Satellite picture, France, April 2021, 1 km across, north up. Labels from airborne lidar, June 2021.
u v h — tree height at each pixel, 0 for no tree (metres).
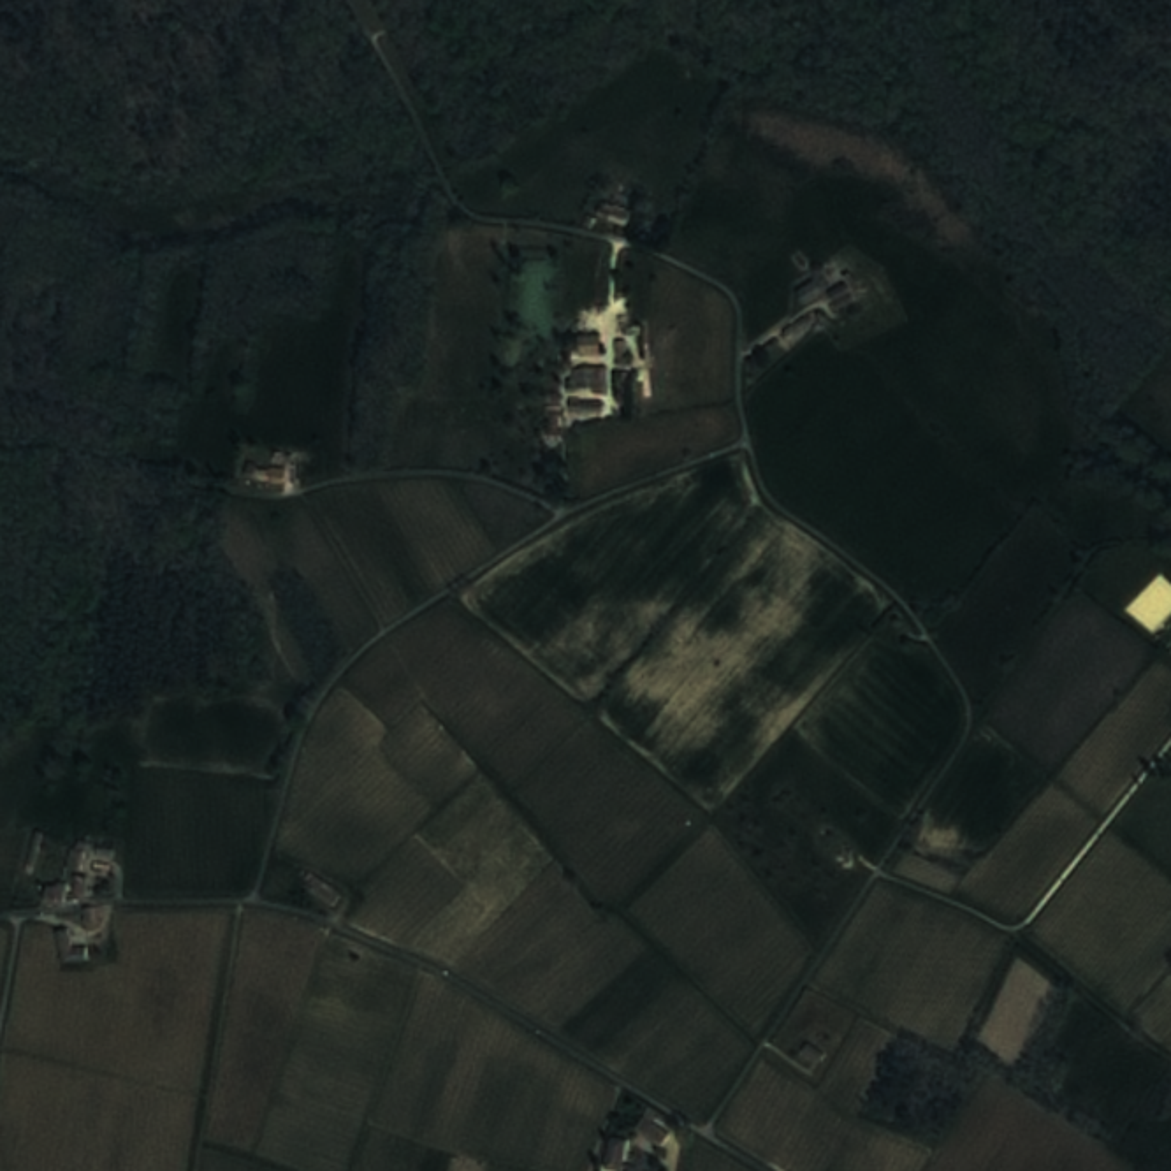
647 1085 0
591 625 0
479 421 0
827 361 0
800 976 0
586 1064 0
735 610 0
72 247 14
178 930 0
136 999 0
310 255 16
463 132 21
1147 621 0
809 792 0
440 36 16
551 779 0
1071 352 22
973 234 6
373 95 22
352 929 0
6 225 13
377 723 0
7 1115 0
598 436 0
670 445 0
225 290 11
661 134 0
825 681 0
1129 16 22
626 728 0
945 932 0
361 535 0
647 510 0
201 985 0
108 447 12
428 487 0
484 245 0
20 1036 0
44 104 23
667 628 7
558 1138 0
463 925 0
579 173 0
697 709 0
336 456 0
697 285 0
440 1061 0
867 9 23
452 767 0
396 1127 0
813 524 0
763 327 0
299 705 14
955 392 0
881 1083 7
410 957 0
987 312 0
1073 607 0
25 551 15
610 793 0
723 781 0
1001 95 22
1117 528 0
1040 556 0
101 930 0
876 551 0
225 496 8
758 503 0
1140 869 0
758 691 0
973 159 22
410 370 19
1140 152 21
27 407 13
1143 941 0
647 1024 0
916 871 0
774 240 0
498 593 0
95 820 0
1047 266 16
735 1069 0
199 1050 0
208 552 15
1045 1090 15
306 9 22
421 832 0
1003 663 8
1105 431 19
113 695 24
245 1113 0
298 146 26
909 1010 0
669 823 0
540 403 8
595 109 0
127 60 13
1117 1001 0
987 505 0
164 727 0
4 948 0
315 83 19
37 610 18
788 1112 0
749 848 6
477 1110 0
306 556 0
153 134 23
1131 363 20
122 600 24
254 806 0
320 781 0
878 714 0
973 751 0
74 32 11
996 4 21
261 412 0
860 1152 0
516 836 0
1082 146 21
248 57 18
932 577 0
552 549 0
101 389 13
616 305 0
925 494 0
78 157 21
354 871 0
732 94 15
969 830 0
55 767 18
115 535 14
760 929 0
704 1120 0
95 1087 0
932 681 0
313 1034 0
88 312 15
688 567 0
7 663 21
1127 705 0
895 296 0
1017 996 0
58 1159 0
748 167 0
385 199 10
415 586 0
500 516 0
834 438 0
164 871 0
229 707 0
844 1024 0
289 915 0
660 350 0
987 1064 15
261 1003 0
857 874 0
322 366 0
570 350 11
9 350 13
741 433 0
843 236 0
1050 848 0
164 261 14
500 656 0
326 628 13
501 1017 0
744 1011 0
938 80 21
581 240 0
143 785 0
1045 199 23
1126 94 9
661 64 0
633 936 0
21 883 0
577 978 0
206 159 17
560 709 0
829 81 23
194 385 11
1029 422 0
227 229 10
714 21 21
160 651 22
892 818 0
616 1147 0
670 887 0
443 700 0
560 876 0
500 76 21
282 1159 0
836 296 0
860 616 0
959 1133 0
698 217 0
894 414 0
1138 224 16
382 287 17
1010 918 0
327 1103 0
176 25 11
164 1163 0
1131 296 19
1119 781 0
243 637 13
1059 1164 0
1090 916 0
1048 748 0
